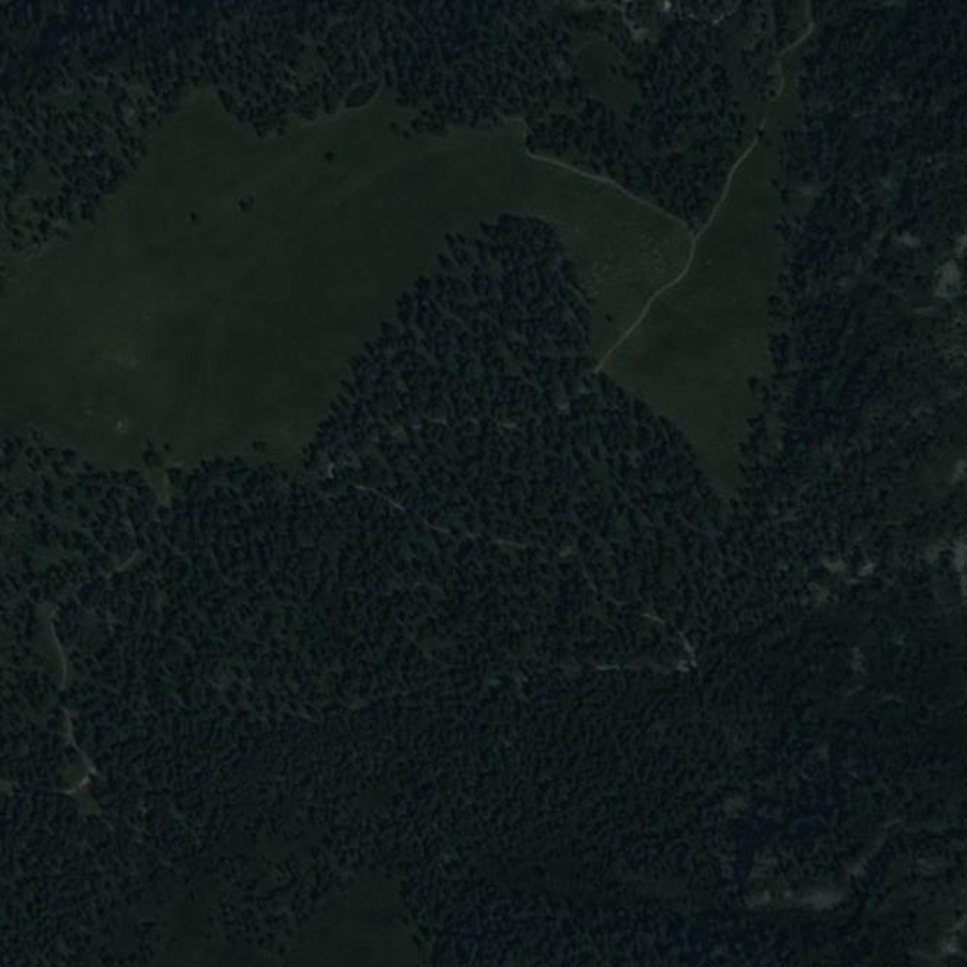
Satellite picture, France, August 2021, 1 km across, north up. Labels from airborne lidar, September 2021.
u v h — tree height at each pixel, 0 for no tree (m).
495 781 23
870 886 8
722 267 0
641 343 0
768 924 7
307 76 0
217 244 0
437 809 15
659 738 15
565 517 25
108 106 0
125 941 0
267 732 19
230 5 21
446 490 26
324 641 7
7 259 0
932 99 10
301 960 0
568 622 23
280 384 0
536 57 21
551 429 14
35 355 0
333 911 0
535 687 19
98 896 20
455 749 20
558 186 0
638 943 24
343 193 0
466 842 18
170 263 0
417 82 16
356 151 0
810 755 21
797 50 0
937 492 0
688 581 21
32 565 31
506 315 21
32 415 0
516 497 20
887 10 6
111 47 9
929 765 9
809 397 18
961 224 11
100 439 0
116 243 0
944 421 7
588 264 0
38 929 16
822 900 0
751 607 8
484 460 20
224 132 0
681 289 0
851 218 6
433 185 0
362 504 26
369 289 0
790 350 19
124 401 0
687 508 28
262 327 0
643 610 18
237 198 0
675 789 10
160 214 0
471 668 8
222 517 24
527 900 21
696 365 0
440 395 27
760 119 0
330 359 0
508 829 17
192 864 11
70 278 0
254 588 28
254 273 0
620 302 0
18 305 0
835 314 6
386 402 22
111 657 26
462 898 12
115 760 25
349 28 18
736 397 0
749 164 0
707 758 7
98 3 6
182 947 0
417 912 18
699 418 0
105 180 14
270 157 0
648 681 13
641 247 0
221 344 0
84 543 32
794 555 16
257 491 25
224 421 0
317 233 0
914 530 12
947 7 7
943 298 0
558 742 19
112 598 26
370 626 28
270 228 0
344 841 6
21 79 6
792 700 13
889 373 9
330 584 24
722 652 15
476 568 28
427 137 0
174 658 28
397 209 0
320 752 23
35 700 13
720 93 16
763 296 0
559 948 23
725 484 0
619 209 0
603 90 0
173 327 0
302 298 0
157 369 0
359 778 20
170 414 0
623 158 17
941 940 0
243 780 23
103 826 23
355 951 0
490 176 0
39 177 0
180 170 0
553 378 23
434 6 28
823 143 11
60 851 18
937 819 8
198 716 25
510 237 25
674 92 24
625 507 13
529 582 23
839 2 8
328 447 24
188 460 0
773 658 7
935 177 10
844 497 10
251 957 0
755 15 9
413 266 0
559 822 16
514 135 0
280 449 0
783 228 6
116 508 9
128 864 16
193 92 0
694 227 9
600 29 11
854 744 6
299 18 6
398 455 23
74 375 0
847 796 13
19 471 0
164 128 0
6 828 23
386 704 27
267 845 0
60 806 14
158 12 9
